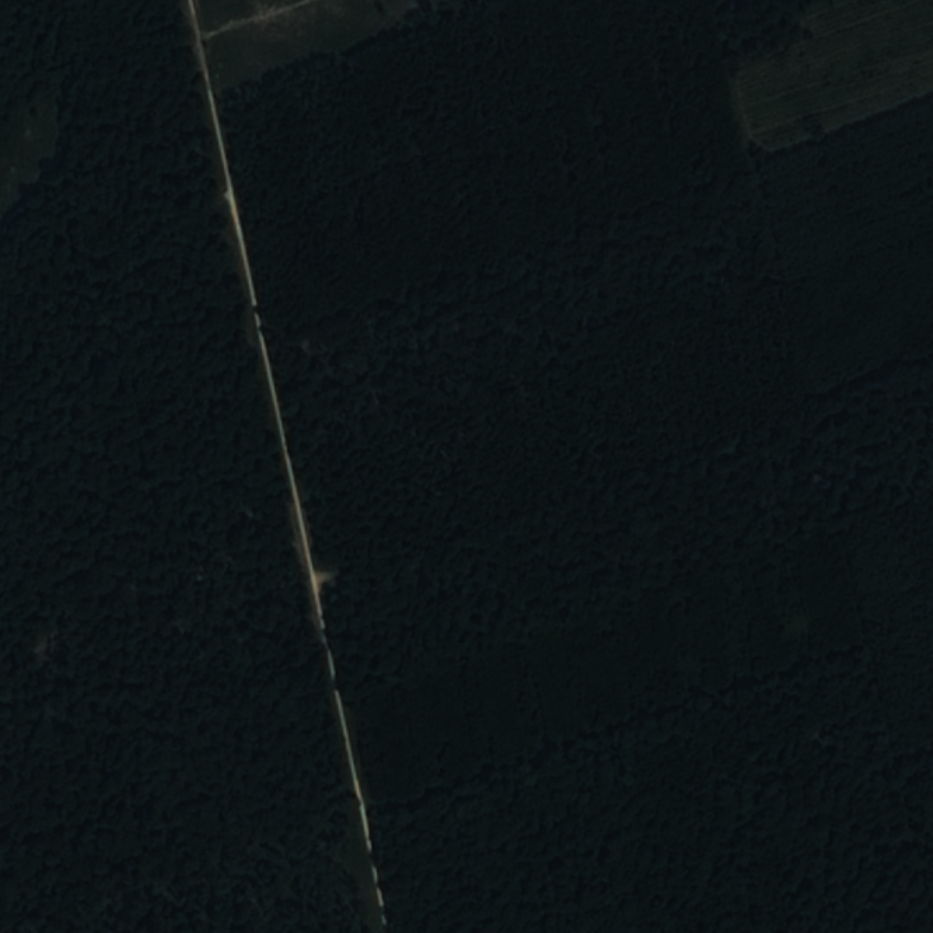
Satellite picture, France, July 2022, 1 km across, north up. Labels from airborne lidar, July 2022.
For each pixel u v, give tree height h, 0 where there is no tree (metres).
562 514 23
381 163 8
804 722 26
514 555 22
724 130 20
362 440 23
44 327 24
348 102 24
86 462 29
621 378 21
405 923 21
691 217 27
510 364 16
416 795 13
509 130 18
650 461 21
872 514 13
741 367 18
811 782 29
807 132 8
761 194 23
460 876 24
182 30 29
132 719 28
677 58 15
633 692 6
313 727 25
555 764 25
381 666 28
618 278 27
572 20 16
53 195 20
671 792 22
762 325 18
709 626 11
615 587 25
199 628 25
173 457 26
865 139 15
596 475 24
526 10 18
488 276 26
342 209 18
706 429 16
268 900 22
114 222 26
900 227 14
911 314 14
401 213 16
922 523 15
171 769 8
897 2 0
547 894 20
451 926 24
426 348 26
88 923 27
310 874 28
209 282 27
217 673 15
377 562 22
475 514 18
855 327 13
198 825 25
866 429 29
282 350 26
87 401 28
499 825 24
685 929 21
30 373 24
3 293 22
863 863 21
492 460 18
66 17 20
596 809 22
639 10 14
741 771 21
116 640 25
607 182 15
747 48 24
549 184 19
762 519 25
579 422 20
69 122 10
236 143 18
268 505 26
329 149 20
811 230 18
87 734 11
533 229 20
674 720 25
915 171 12
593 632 10
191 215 22
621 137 17
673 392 16
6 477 25
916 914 20
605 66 18
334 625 17
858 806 22
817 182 18
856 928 10
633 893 20
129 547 26
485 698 9
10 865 22
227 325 23
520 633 23
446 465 24
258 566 6
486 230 18
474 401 23
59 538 27
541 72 14
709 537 19
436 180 15
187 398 25
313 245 22
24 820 28
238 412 27
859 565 10
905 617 11
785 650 11
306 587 13
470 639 29
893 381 27
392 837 23
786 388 17
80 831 29
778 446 25
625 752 23
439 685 12
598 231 24
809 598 7
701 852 24
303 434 22
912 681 13
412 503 20
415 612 27
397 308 25
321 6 0
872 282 13
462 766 12
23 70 19
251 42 0
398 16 0
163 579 27
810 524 22
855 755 24
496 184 14
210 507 21
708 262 27
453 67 16
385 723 13
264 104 20
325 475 24
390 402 21
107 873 28
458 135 18
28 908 13
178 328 27
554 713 9
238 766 20
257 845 26
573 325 29
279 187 21
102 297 22
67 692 28
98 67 26
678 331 19
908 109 11
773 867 22
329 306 18
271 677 29
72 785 25
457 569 21
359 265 19
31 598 30
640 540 27
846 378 12
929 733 13
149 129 28
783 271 13
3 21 23
